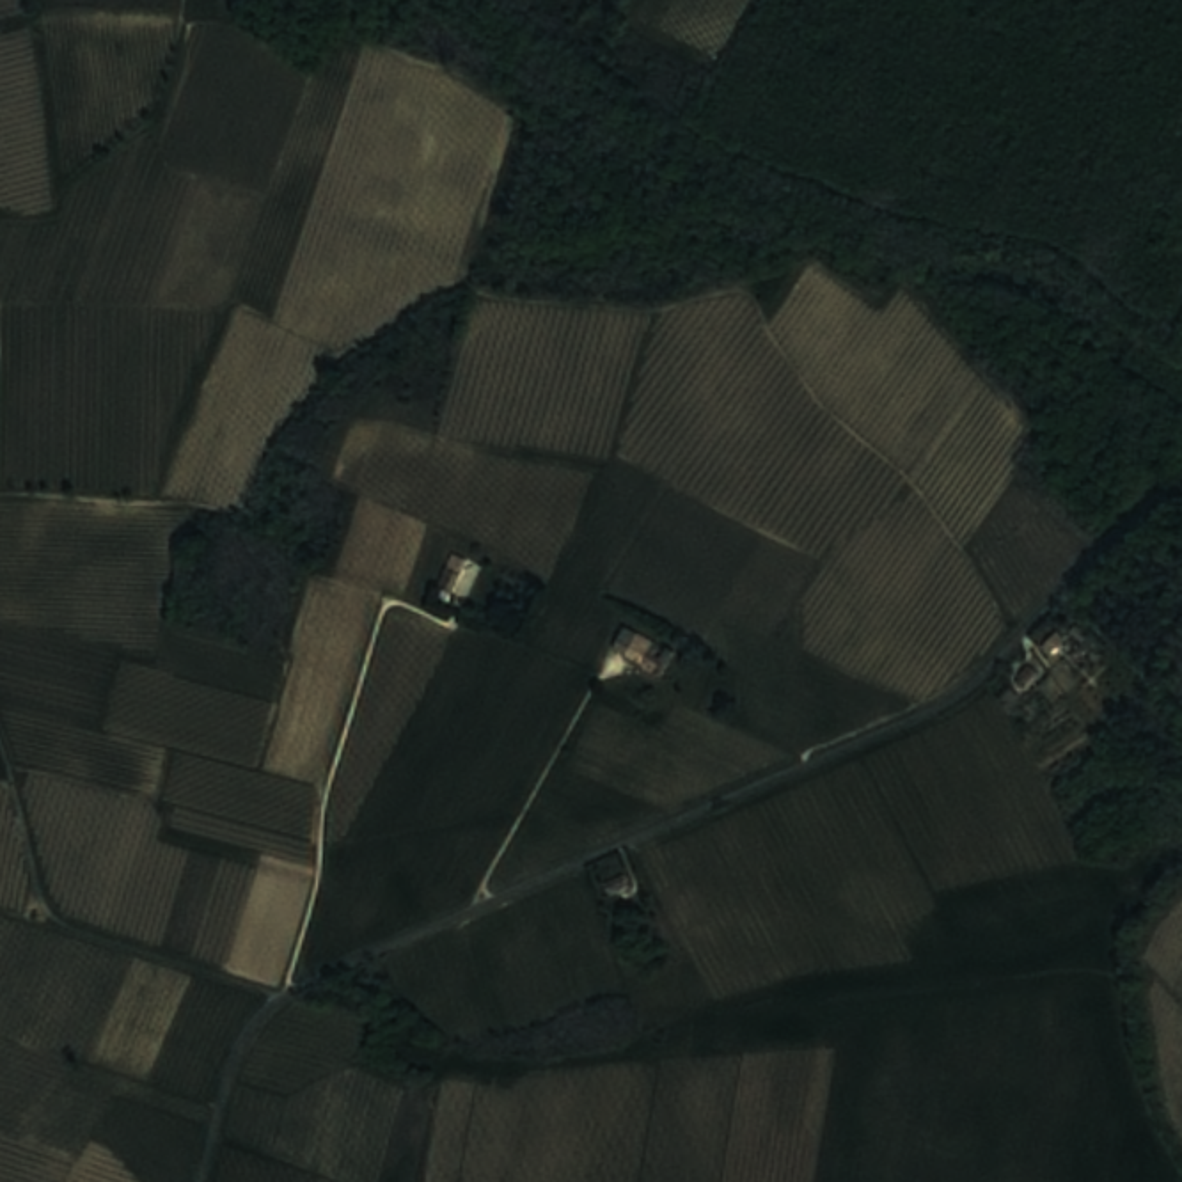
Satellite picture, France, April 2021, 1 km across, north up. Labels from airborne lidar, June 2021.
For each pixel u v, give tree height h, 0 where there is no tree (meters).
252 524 17
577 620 0
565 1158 0
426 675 0
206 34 0
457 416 0
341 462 0
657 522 0
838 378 0
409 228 0
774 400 0
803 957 0
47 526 0
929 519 0
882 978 0
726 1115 0
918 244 22
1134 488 24
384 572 0
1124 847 18
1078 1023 0
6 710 0
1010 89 12
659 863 0
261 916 0
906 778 0
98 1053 0
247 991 0
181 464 0
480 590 0
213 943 0
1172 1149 11
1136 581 22
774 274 18
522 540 0
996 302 19
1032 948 0
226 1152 0
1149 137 15
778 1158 0
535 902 0
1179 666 9
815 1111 0
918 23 11
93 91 0
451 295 8
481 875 0
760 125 14
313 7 23
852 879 0
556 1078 0
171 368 0
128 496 9
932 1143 0
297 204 0
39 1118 0
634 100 18
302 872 0
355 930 0
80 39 0
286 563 21
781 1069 0
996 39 11
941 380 0
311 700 0
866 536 0
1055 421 21
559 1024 11
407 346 11
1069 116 15
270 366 0
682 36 0
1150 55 12
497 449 0
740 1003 0
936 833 0
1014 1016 0
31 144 0
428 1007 0
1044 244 11
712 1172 0
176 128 0
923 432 0
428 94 0
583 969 0
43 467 0
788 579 0
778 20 10
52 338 0
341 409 12
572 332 0
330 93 0
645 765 0
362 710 0
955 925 0
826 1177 0
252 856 0
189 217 0
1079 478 21
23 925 0
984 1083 0
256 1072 0
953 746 0
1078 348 26
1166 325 17
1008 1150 0
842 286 0
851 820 0
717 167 21
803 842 0
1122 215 13
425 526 0
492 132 0
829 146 15
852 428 0
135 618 0
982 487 0
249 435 0
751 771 0
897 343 0
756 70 16
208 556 15
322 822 0
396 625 0
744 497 0
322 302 0
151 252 0
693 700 0
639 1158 0
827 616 0
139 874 0
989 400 0
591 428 0
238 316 0
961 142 12
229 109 0
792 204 22
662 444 0
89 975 0
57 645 0
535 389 0
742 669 0
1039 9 14
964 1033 0
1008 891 0
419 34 13
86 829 0
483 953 0
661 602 0
